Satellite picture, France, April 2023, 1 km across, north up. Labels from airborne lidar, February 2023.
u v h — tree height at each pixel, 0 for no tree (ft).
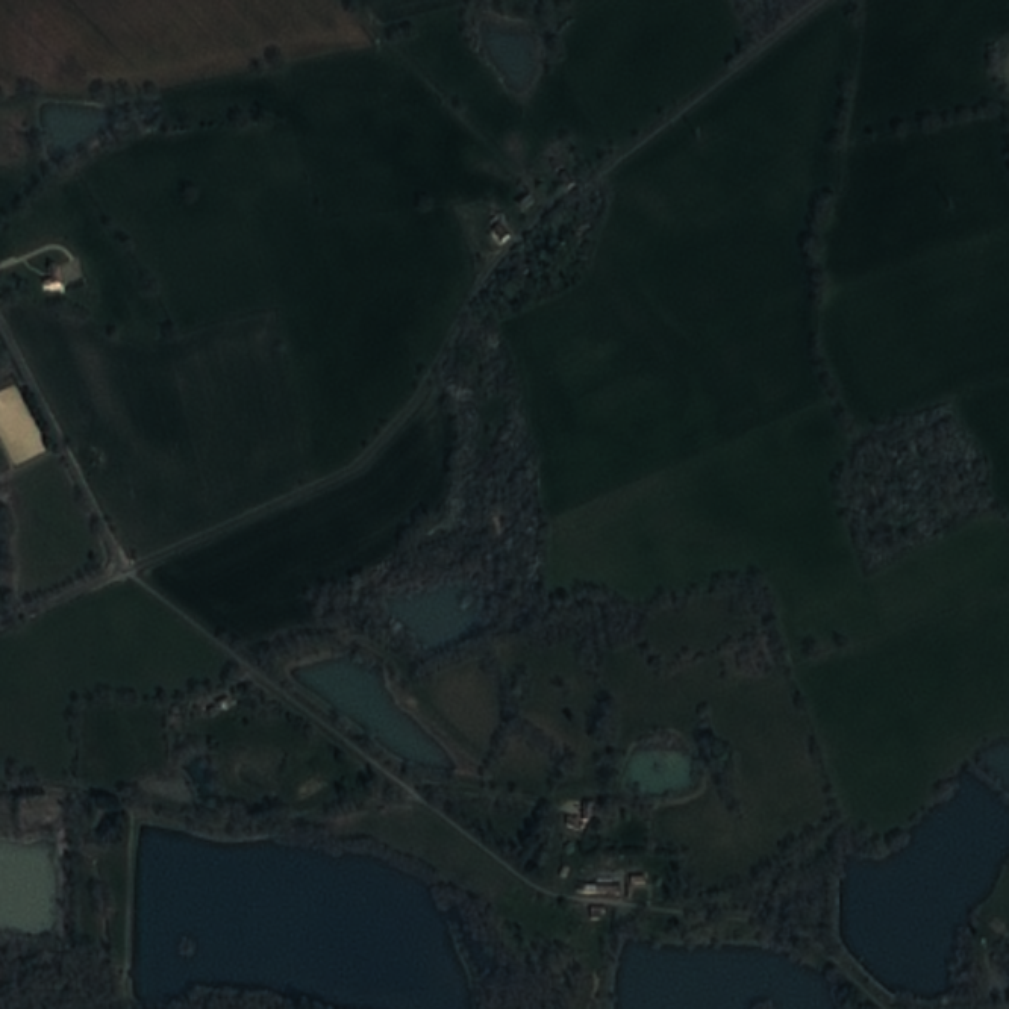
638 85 0
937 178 0
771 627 60
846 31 0
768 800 0
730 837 0
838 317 0
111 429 0
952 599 0
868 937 0
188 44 0
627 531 0
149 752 0
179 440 0
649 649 39
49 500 0
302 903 0
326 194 0
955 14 0
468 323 40
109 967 57
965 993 46
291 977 0
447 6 0
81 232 0
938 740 0
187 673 0
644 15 0
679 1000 0
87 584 48
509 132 0
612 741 62
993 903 0
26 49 0
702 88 0
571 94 0
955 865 0
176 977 0
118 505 0
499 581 36
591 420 0
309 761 0
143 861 0
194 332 0
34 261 0
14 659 0
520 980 67
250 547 0
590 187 44
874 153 0
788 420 0
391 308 0
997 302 0
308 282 0
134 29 0
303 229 0
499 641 45
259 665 53
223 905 0
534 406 0
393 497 0
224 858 0
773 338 0
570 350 0
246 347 0
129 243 48
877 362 0
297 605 0
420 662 21
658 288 0
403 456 0
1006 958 24
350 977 0
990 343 0
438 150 0
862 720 0
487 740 0
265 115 60
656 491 0
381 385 0
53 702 0
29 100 46
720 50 0
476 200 0
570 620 67
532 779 0
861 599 0
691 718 0
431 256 0
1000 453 0
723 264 0
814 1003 0
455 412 39
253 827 60
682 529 0
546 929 0
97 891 52
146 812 54
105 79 0
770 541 0
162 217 0
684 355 0
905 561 0
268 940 0
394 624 33
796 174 0
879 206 0
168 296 0
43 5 0
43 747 0
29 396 36
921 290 0
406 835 0
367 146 0
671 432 0
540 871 49
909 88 0
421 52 0
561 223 54
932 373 0
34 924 0
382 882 0
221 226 0
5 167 0
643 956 0
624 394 0
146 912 0
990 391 0
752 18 42
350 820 62
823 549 0
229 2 0
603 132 0
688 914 32
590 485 0
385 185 0
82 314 41
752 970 0
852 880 0
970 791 0
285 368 0
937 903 0
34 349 0
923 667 0
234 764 0
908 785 0
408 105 0
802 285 0
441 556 34
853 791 0
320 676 0
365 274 0
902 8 0
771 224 0
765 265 0
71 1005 66
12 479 0
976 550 0
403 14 0
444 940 0
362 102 0
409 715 0
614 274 0
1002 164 0
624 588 0
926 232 0
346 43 0
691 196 0
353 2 41
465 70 0
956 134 0
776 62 0
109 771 0
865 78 0
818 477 0
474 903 59
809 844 44
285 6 0
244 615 0
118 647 0
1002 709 0
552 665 0
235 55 0
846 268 0
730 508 0
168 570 0
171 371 0
